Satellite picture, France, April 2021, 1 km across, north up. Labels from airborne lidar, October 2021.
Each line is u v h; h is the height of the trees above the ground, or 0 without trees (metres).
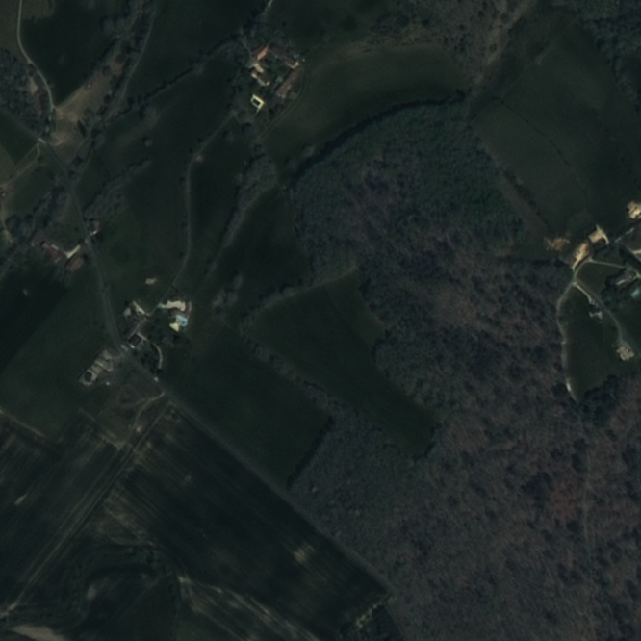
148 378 0
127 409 0
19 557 0
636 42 27
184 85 0
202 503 0
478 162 18
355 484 27
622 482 9
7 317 0
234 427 0
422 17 10
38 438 0
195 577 0
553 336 13
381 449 25
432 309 25
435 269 22
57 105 0
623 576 15
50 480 0
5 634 0
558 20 0
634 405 16
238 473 0
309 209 20
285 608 0
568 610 19
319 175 23
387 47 0
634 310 0
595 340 0
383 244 26
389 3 0
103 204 9
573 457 7
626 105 0
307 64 0
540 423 8
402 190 12
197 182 0
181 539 0
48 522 0
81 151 0
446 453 17
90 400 0
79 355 0
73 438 0
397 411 0
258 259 0
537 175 0
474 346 24
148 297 0
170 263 0
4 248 0
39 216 11
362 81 0
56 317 0
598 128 0
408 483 24
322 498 25
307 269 0
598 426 21
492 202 28
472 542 18
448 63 0
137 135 0
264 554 0
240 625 0
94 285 0
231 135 11
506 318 18
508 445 20
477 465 19
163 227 0
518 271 16
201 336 0
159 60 0
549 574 18
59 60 9
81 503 0
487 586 21
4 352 0
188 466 0
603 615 17
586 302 0
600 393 12
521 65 0
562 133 0
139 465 0
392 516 21
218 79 0
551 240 0
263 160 17
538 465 10
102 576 0
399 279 23
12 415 0
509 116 0
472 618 17
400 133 18
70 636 0
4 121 0
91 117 14
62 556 0
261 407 0
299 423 0
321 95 0
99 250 0
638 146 0
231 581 0
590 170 0
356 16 0
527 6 0
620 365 0
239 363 0
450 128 23
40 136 15
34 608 0
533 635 20
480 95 0
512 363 17
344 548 21
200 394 0
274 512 0
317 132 0
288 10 0
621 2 21
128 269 0
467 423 20
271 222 0
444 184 18
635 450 14
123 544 0
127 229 0
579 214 0
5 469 0
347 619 0
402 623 8
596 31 13
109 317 0
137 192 0
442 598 20
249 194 15
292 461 0
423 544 14
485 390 21
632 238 9
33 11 0
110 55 14
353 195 28
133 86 0
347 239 21
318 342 0
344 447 26
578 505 12
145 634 0
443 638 22
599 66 0
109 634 0
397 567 12
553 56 0
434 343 25
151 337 6
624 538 7
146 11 13
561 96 0
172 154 0
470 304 19
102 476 0
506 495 18
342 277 14
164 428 0
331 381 0
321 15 0
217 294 0
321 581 0
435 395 13
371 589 0
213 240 0
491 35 0
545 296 19
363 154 23
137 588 0
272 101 13
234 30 0
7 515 0
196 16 0
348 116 0
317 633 0
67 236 0
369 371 0
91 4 20
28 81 18
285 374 16
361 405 0
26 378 0
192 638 0
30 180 0
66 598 0
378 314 23
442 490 16
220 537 0
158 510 0
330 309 0
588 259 0
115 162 0
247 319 13
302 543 0
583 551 19
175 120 0
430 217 24
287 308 0
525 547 12
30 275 0
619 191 0
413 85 0
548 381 19
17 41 0
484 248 24
